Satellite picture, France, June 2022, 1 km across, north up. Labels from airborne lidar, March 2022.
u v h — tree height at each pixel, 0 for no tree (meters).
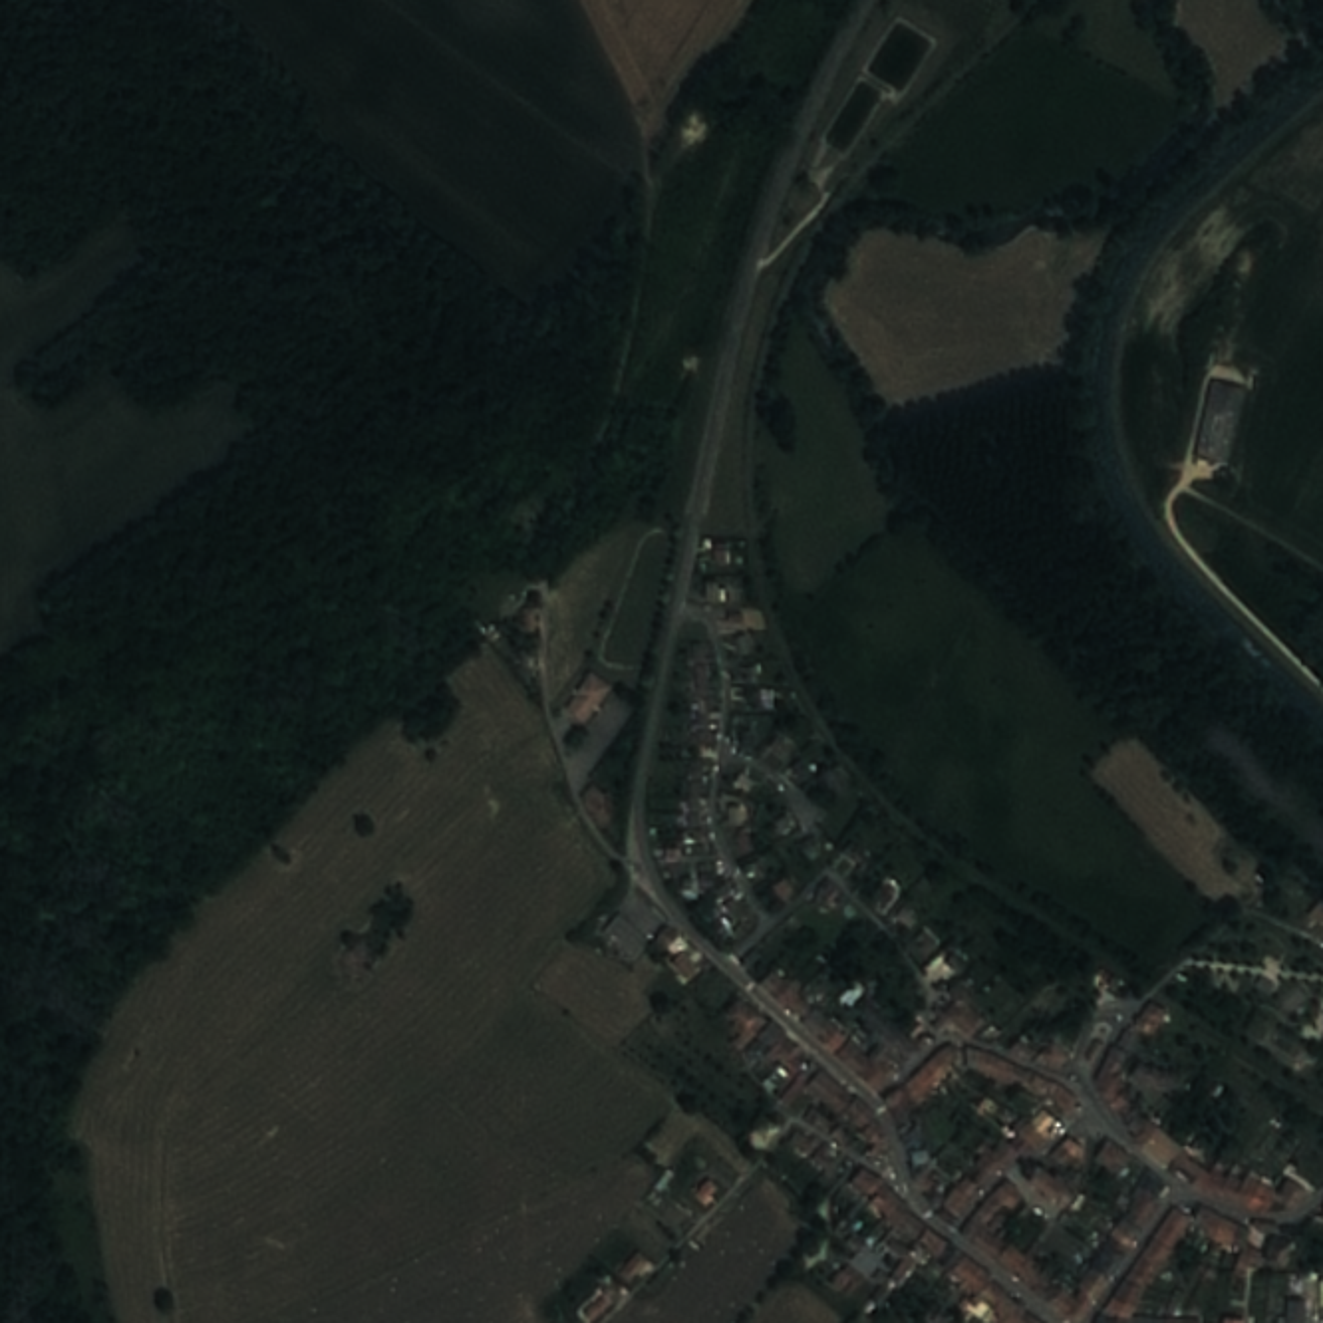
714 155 0
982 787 0
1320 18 22
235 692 13
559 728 0
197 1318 0
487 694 0
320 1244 0
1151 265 0
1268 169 0
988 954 0
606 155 0
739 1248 0
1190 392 0
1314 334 0
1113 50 0
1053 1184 0
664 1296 0
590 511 16
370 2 0
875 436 15
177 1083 0
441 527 16
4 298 0
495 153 0
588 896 0
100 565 16
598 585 0
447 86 0
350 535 17
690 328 0
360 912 0
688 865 0
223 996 0
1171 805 0
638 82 0
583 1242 0
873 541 6
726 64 19
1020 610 16
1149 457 0
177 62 27
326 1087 0
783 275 0
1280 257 0
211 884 8
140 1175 0
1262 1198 0
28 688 7
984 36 0
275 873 0
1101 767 0
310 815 0
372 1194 0
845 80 0
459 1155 0
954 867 0
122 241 0
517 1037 0
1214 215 0
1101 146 0
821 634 0
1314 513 0
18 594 0
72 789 24
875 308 0
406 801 0
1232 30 0
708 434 0
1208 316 0
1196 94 9
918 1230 0
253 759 9
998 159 0
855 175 0
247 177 20
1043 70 0
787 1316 0
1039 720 0
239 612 12
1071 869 0
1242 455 0
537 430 21
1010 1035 0
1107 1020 0
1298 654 15
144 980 0
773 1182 0
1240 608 0
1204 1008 0
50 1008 19
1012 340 0
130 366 11
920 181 0
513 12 0
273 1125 0
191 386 16
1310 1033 0
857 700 0
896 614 0
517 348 25
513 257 0
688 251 0
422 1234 0
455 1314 0
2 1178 27
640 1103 0
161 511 12
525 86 0
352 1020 0
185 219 18
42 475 0
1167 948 0
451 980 0
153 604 8
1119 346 0
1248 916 0
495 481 15
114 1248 0
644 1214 0
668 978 0
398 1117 0
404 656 13
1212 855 0
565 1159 0
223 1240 0
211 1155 0
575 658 0
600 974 0
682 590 0
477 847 0
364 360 10
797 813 0
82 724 7
